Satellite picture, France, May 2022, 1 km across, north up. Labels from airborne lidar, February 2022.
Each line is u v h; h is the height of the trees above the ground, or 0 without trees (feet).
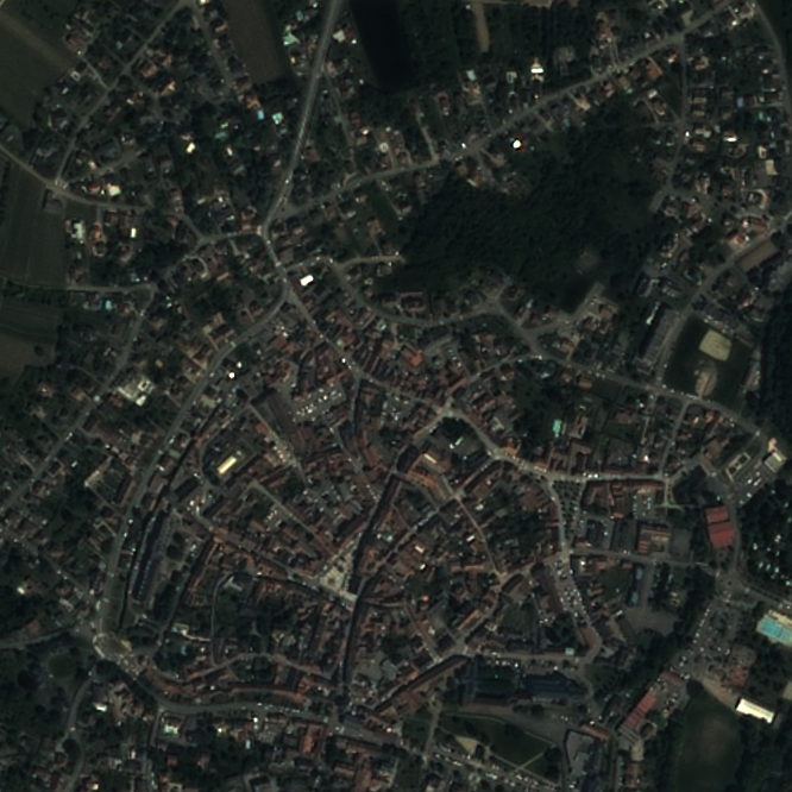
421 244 32
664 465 0
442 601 0
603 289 0
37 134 34
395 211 0
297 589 0
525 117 0
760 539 24
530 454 19
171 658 48
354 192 0
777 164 0
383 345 0
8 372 0
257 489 0
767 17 0
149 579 0
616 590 0
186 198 48
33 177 0
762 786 48
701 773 0
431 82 24
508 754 0
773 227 0
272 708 0
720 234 0
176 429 0
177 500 0
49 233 0
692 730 0
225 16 19
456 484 0
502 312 0
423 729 0
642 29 0
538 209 32
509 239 24
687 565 0
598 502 0
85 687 0
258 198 31
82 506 33
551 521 0
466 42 44
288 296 0
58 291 0
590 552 0
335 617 0
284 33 0
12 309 0
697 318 0
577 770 0
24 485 0
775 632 0
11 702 30
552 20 42
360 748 0
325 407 0
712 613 0
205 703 0
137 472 0
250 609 0
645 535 0
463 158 0
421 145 46
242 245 0
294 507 0
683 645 60
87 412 0
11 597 55
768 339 52
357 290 0
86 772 0
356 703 0
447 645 0
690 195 0
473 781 0
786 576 36
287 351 0
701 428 0
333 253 18
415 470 0
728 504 0
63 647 45
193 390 0
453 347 0
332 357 0
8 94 0
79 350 0
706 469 0
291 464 0
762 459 0
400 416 0
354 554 0
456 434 39
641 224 0
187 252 35
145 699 47
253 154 39
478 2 0
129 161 0
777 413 20
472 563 0
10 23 0
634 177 0
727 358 0
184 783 24
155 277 33
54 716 41
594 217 38
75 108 0
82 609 0
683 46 0
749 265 0
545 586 0
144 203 0
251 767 36
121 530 0
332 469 0
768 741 69
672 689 0
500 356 0
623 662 0
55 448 0
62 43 0
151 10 18
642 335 0
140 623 17
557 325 0
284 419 0
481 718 0
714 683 0
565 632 26
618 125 38
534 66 0
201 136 35
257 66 0
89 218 0
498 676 29
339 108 0
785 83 0
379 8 0
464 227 33
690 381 0
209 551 0
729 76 38
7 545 29
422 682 0
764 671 21
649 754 26
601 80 0
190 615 29
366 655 0
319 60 0
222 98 0
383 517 0
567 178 26
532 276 19
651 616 0
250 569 0
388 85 0
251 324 0
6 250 0
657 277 0
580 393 31
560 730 0
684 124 0
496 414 0
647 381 0
